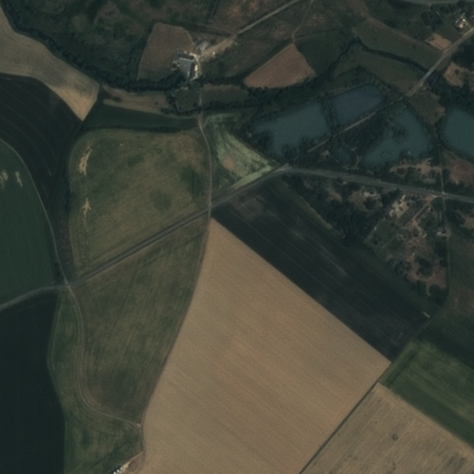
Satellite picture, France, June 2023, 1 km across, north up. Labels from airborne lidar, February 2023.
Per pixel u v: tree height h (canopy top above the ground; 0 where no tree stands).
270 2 0
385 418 0
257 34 0
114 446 0
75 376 0
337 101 0
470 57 13
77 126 0
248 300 0
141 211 0
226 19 0
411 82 0
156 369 0
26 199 0
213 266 0
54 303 0
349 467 0
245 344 0
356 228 6
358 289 0
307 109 0
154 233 0
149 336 0
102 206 0
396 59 0
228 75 0
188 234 0
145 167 0
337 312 0
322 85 20
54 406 0
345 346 0
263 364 0
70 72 0
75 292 0
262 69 0
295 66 0
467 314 0
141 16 0
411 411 0
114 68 0
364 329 0
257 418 0
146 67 0
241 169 0
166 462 0
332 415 0
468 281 0
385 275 0
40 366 0
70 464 0
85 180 0
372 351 0
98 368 0
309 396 0
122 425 0
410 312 0
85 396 0
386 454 0
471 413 0
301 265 0
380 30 0
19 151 0
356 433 0
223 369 0
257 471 0
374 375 0
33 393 0
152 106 0
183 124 0
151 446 0
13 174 0
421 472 0
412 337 0
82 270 0
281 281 0
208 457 0
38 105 0
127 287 0
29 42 0
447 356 0
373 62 0
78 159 0
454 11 14
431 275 0
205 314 0
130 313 0
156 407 0
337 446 0
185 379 0
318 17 0
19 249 0
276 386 0
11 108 0
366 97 0
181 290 0
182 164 0
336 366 0
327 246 0
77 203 0
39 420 0
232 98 0
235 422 0
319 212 7
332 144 13
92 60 0
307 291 0
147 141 0
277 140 0
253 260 0
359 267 0
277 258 0
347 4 0
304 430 0
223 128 0
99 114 0
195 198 0
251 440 0
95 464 0
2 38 0
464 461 0
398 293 0
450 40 0
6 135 0
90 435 0
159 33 0
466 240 0
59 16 8
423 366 0
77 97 0
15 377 0
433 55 0
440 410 0
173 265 0
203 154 0
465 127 0
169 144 0
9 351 0
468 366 0
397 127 7
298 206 0
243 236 0
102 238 0
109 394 0
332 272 0
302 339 0
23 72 0
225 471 0
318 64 0
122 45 0
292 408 0
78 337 0
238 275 0
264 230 0
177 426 0
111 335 0
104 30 6
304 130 0
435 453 0
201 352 0
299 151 11
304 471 0
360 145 7
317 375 0
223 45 0
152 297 0
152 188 0
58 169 0
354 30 0
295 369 0
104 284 0
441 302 10
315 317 0
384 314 0
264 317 0
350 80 0
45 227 0
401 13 0
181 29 0
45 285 0
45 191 0
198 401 0
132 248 0
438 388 0
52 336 0
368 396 0
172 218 0
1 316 0
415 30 0
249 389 0
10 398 0
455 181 0
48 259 0
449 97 16
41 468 0
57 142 0
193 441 0
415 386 0
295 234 0
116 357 0
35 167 0
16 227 0
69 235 0
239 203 0
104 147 0
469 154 0
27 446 0
